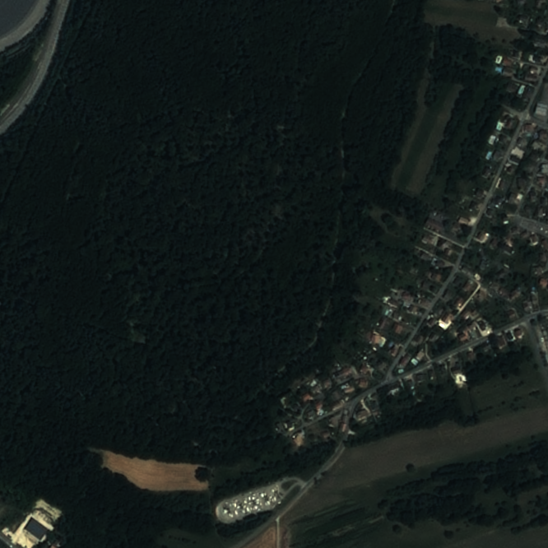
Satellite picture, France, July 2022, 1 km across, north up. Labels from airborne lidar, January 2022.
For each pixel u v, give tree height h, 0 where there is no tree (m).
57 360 26
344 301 14
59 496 23
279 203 20
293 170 20
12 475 22
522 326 0
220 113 24
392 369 0
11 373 28
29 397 26
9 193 16
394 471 0
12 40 0
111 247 30
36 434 21
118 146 21
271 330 24
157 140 32
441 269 6
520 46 15
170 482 0
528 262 15
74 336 28
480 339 0
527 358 7
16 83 7
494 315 6
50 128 18
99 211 18
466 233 18
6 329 26
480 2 0
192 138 27
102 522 18
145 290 23
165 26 22
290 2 24
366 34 10
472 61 17
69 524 21
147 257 28
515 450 0
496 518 8
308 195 24
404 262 8
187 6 27
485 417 0
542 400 0
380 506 11
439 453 0
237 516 0
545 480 18
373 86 15
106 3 22
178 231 21
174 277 23
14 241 26
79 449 22
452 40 22
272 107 17
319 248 26
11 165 23
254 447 19
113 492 22
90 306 23
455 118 8
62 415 20
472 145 7
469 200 0
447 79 16
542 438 0
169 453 21
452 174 11
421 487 14
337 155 35
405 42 19
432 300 0
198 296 8
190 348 26
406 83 19
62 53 8
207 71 21
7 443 19
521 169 9
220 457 20
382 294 0
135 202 22
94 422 16
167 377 25
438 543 0
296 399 7
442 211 7
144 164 26
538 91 0
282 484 0
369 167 24
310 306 21
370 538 0
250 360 25
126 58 20
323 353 23
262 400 20
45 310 28
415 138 0
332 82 15
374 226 8
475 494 6
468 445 0
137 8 20
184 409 23
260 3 24
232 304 26
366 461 0
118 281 23
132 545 16
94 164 19
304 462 16
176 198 17
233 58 27
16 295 23
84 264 22
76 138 18
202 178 18
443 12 0
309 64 17
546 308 0
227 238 21
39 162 21
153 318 23
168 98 28
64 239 15
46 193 21
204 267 26
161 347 27
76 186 25
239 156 19
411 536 0
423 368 0
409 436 0
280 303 29
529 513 6
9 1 0
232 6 30
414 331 0
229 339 9
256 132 21
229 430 17
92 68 20
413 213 8
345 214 33
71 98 26
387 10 15
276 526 0
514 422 0
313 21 21
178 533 0
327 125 13
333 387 8
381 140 28
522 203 0
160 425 23
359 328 9
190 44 29
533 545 0
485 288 0
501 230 17
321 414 0
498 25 0
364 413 0
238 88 23
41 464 23
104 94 20
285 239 21
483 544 0
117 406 25
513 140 0
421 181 0
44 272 20
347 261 28
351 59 14
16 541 0
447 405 8
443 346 26
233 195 19
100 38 21
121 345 26
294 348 29
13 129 6
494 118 10
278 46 24
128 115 21
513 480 16
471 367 12
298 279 19
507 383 0
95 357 24
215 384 22
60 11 0
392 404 12
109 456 0
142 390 19
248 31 29
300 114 6
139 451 24
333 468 0
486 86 0
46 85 7
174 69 23
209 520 19
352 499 0
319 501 0
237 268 24
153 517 21
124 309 25
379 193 6
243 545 0
